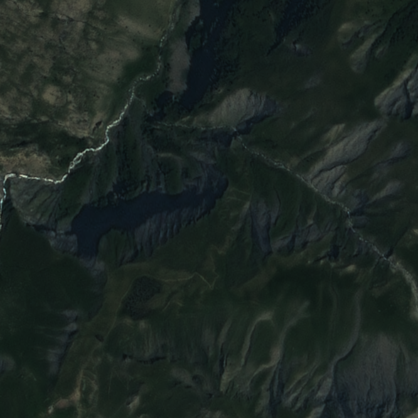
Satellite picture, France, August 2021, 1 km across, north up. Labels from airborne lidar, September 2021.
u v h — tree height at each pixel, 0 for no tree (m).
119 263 0
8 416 0
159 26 0
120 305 0
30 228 0
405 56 0
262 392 0
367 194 0
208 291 0
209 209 0
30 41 0
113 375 0
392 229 0
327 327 0
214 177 0
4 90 0
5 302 0
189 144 0
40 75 0
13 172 0
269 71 0
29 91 0
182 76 0
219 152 0
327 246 0
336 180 0
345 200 0
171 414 0
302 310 0
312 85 0
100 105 0
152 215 0
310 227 0
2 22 0
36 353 0
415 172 0
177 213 0
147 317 0
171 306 0
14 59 0
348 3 0
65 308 0
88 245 0
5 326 0
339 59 0
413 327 0
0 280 0
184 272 0
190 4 0
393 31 0
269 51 0
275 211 0
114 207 8
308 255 0
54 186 0
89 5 0
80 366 0
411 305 0
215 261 0
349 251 0
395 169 0
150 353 0
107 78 0
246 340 0
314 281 0
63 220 0
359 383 0
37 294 0
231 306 0
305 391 0
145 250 0
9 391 0
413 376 0
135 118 0
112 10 0
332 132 0
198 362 0
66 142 0
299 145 0
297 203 0
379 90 0
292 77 0
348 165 0
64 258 0
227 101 0
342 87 0
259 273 0
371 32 0
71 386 0
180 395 0
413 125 0
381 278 0
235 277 0
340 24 0
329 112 0
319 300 0
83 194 0
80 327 0
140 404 0
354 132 0
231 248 0
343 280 0
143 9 0
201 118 0
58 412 0
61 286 0
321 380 0
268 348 0
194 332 0
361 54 0
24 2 0
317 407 0
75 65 0
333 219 0
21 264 0
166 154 0
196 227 0
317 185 0
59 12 0
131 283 0
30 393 0
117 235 0
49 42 0
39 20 0
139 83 0
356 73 0
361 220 0
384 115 0
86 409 0
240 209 0
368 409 0
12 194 0
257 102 0
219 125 0
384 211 0
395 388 0
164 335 0
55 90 0
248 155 0
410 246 0
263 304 0
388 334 0
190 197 0
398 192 0
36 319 0
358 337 0
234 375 0
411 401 0
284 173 0
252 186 0
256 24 0
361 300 0
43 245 0
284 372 0
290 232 0
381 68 0
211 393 0
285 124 0
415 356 0
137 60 0
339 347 0
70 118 0
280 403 0
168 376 0
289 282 0
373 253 0
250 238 0
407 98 0
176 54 0
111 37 0
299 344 0
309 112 0
